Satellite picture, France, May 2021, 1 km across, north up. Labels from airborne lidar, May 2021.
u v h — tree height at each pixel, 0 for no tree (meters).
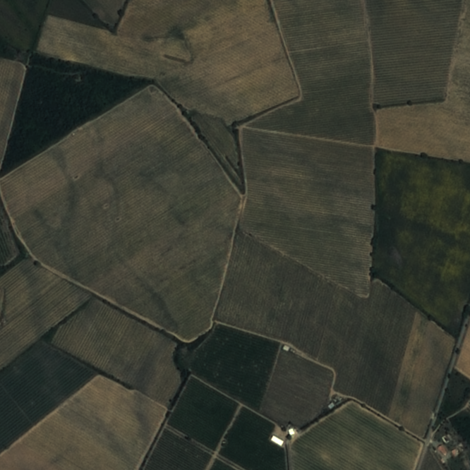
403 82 0
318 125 0
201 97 0
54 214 0
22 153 9
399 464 0
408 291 0
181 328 0
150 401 0
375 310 0
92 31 0
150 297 0
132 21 0
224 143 0
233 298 0
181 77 0
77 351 0
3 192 0
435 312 0
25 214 0
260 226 0
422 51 0
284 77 0
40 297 0
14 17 0
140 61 0
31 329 0
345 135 0
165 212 0
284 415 0
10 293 0
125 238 0
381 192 0
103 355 0
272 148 0
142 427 0
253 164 0
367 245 0
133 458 0
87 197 0
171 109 0
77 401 0
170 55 0
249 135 0
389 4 0
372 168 0
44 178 0
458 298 0
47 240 0
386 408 0
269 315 0
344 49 0
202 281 0
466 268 0
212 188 0
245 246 0
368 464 0
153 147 0
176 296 0
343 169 0
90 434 0
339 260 0
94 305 0
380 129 0
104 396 0
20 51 9
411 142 0
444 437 0
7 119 0
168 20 0
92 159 0
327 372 0
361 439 0
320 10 0
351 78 0
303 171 0
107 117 0
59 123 10
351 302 0
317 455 0
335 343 0
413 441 0
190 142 0
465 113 0
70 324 0
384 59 0
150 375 0
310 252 0
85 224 0
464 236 0
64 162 0
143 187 0
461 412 0
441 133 0
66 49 0
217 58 0
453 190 0
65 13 0
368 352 0
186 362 0
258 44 0
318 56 0
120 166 0
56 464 0
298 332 0
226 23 0
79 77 9
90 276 0
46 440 0
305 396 0
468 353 0
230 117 0
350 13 0
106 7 0
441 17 0
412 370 0
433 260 0
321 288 0
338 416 0
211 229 0
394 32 0
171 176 0
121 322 0
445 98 0
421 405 0
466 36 0
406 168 0
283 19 0
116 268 0
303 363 0
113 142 0
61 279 0
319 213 0
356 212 0
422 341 0
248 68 0
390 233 0
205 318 0
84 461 0
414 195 0
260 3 0
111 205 0
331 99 0
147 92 0
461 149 0
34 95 6
